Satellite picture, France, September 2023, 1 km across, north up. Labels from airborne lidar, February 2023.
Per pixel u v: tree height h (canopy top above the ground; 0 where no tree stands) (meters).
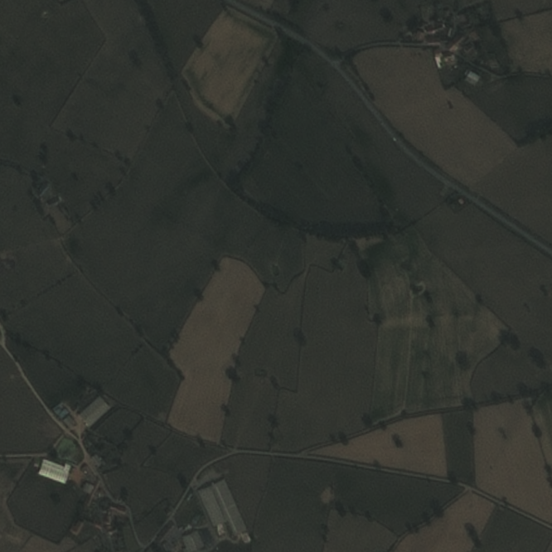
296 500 0
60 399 0
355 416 0
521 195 0
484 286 0
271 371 0
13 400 0
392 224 17
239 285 0
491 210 0
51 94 0
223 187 0
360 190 0
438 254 0
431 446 0
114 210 0
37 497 0
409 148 0
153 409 0
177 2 0
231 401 0
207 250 0
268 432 0
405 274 0
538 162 0
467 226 0
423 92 0
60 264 0
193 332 0
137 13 0
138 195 0
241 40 0
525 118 0
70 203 0
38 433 0
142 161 0
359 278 0
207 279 0
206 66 0
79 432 0
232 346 0
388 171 0
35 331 0
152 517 0
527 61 0
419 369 0
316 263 0
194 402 0
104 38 0
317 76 0
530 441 0
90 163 0
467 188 0
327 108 0
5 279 0
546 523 0
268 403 0
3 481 0
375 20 0
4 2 0
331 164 0
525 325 0
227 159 0
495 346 0
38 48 0
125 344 0
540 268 0
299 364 0
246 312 0
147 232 0
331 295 0
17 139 0
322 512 0
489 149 0
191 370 0
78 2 0
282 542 0
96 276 0
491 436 0
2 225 0
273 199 0
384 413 0
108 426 0
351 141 0
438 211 0
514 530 0
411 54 0
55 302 0
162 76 0
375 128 0
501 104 0
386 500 0
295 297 0
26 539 0
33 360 0
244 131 0
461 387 0
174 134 0
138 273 0
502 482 0
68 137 10
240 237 0
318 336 0
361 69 0
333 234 20
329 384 0
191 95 0
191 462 0
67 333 0
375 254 0
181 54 0
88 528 0
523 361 0
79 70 0
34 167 0
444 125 0
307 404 0
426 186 0
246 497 0
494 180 0
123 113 0
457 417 0
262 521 0
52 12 0
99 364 0
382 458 0
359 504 0
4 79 0
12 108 0
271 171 0
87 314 0
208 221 0
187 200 0
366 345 0
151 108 0
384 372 0
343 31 0
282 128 0
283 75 0
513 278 0
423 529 0
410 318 0
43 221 0
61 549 0
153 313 0
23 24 0
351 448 0
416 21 9
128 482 0
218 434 0
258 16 0
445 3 0
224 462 0
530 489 0
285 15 0
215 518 0
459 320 0
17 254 0
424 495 0
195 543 0
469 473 0
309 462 0
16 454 0
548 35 0
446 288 0
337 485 0
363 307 0
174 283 0
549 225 0
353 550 0
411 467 0
